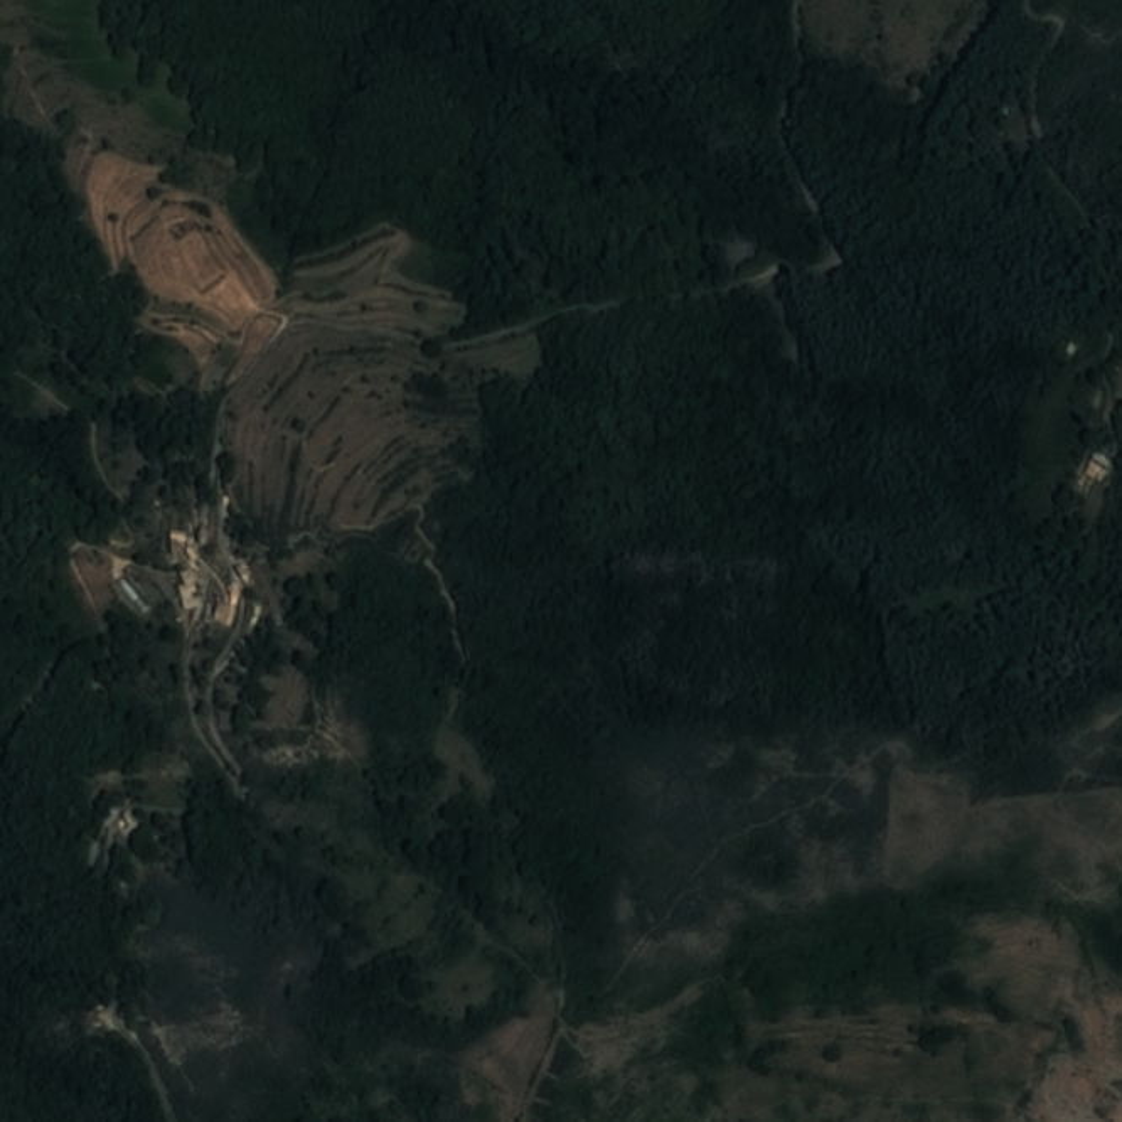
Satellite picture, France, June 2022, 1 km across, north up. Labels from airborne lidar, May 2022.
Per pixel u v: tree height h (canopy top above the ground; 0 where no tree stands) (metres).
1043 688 9
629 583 23
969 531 23
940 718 21
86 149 0
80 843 18
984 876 0
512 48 12
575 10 10
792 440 9
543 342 10
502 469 12
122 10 16
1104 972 0
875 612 22
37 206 18
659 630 14
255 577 0
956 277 26
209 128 16
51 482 23
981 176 22
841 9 0
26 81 0
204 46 24
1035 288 25
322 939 7
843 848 0
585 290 17
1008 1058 0
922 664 27
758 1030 0
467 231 21
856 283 28
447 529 7
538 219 21
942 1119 0
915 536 27
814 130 21
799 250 19
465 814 8
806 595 9
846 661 9
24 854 17
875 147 18
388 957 7
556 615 9
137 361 15
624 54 6
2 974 17
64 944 20
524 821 13
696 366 15
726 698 14
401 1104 6
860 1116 0
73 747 12
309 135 18
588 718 6
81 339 18
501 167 24
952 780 0
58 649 7
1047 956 0
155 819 12
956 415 12
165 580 0
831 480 20
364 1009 6
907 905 9
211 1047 0
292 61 20
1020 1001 0
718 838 0
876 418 8
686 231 10
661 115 29
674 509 12
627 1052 0
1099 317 24
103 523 17
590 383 9
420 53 32
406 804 16
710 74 9
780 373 13
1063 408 0
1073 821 0
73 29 0
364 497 0
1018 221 33
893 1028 0
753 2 24
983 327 24
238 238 0
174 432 13
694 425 11
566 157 10
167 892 0
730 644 18
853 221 26
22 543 12
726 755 0
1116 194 8
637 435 9
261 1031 0
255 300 0
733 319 9
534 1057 0
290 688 0
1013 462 12
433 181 24
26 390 0
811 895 0
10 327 18
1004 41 27
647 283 14
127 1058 11
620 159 12
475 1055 0
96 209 0
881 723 8
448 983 0
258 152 9
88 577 0
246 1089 0
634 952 0
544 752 8
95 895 15
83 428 22
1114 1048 0
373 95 21
